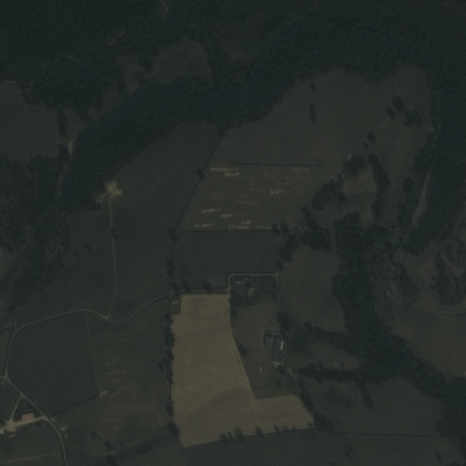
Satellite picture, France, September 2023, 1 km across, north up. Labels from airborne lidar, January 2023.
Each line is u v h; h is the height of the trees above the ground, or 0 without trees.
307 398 13
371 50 24
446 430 19
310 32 22
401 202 0
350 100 0
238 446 0
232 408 0
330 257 0
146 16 21
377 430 0
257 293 0
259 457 0
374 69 21
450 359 0
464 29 16
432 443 0
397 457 0
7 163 18
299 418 0
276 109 0
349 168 17
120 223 0
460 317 0
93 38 20
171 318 14
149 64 20
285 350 0
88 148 16
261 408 0
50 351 0
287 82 16
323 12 7
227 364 0
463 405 22
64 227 14
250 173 0
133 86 0
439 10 13
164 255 0
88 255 0
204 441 0
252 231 0
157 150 0
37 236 0
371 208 0
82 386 0
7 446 0
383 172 19
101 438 0
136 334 0
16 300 6
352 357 0
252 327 0
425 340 0
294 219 0
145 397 0
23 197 12
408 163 0
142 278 0
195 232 0
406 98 0
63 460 0
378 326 27
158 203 0
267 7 14
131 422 0
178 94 24
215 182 0
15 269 0
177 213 0
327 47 27
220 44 0
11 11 20
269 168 0
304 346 0
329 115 0
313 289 0
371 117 0
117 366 0
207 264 0
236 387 0
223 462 0
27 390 0
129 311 0
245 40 0
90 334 0
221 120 20
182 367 0
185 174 0
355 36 18
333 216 0
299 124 0
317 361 0
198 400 0
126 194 0
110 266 0
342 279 23
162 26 20
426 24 13
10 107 0
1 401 0
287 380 0
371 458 0
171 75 0
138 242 0
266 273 0
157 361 0
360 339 11
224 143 0
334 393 0
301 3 11
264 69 25
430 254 0
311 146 0
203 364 0
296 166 0
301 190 0
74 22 18
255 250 0
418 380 18
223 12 8
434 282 7
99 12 19
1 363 0
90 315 0
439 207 21
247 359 0
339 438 0
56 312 0
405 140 0
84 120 18
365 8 13
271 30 0
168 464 0
